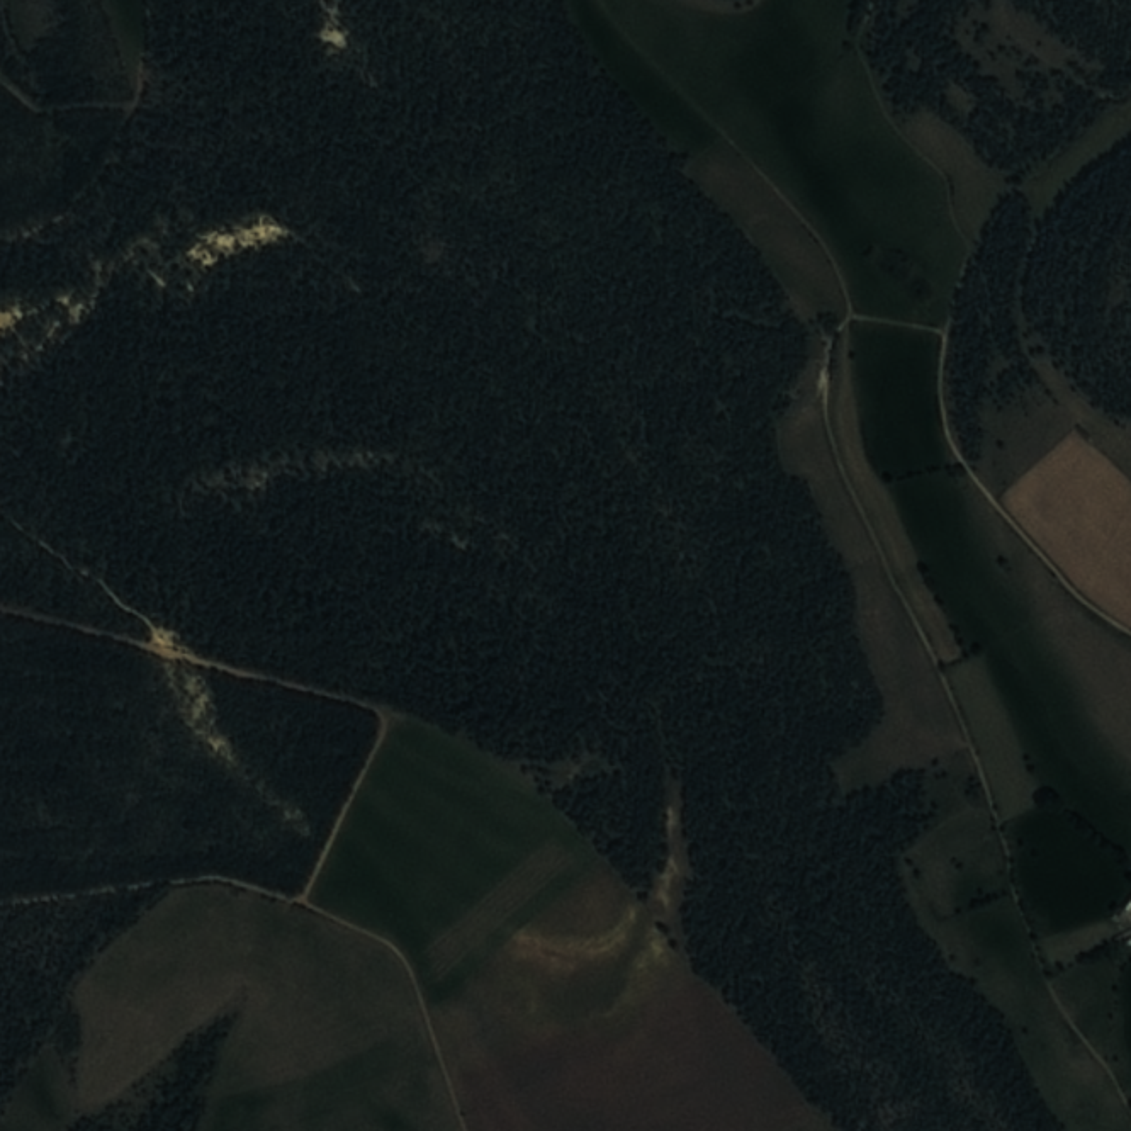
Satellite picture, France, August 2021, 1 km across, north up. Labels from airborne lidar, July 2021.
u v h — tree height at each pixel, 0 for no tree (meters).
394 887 0
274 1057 0
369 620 13
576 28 9
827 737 14
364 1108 0
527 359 10
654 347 11
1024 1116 12
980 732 0
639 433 13
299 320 9
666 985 0
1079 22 9
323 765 13
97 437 11
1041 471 0
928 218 0
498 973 0
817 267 0
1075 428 0
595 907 0
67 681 11
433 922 0
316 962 0
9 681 11
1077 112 8
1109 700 0
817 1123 0
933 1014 12
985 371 9
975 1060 9
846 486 0
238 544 14
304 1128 0
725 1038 0
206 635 8
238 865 11
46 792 13
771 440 11
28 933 7
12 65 5
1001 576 0
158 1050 0
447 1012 0
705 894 7
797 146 0
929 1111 8
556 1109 0
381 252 12
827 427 0
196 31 11
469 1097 0
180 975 0
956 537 0
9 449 9
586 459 12
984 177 0
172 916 0
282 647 11
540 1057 0
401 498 10
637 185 12
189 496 11
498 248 12
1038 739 0
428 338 9
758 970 13
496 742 11
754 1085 0
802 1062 11
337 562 17
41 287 12
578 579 12
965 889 0
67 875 15
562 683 11
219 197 8
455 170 13
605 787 7
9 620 10
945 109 8
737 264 8
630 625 8
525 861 0
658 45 0
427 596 13
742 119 0
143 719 8
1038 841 0
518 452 8
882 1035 10
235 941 0
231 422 11
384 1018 0
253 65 11
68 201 9
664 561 7
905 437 0
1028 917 8
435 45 10
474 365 10
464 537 7
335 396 12
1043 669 0
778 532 12
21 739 10
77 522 12
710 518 11
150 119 9
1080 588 0
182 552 11
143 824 6
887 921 10
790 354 9
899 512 0
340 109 9
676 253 11
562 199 8
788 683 12
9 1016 7
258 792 6
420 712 12
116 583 10
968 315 6
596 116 14
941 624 0
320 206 9
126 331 14
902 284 0
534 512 10
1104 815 0
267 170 8
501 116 10
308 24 10
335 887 0
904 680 0
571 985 0
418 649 14
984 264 11
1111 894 0
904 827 12
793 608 10
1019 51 6
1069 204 11
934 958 7
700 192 8
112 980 0
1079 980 0
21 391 12
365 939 0
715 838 10
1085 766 0
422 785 0
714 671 13
